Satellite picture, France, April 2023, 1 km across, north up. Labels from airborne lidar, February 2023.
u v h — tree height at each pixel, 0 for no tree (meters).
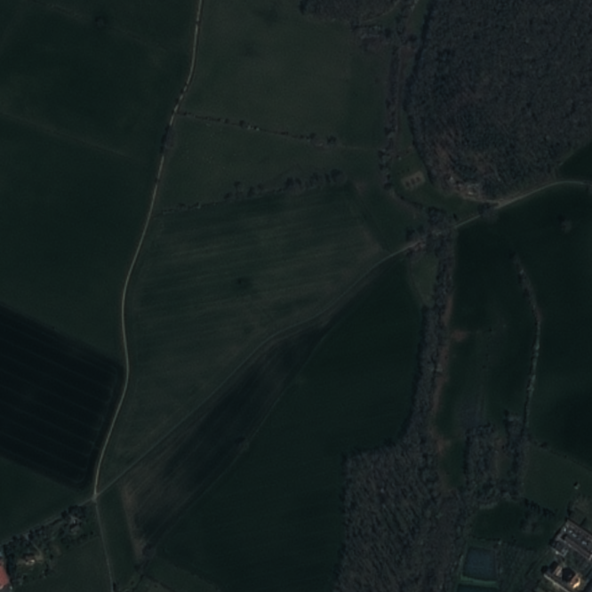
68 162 0
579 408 0
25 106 0
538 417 0
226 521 0
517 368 0
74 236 0
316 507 0
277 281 0
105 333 0
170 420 0
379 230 0
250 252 0
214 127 0
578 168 0
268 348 0
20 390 0
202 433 0
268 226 0
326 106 0
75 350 0
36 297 0
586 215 0
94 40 0
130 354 0
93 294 0
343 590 24
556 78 19
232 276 0
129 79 0
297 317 0
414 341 0
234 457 0
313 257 0
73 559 0
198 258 0
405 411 0
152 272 0
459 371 0
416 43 19
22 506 0
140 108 0
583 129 20
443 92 23
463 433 0
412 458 31
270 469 0
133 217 0
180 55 0
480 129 21
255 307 0
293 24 0
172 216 0
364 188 0
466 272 0
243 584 0
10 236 0
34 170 0
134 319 0
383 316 0
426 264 0
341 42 0
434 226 13
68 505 0
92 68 0
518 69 19
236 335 0
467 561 0
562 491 0
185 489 0
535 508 12
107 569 0
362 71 0
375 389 0
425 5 0
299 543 0
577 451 0
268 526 0
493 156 17
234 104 0
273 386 0
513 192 28
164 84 0
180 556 0
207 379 0
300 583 0
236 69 0
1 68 0
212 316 0
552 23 21
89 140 0
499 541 6
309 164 0
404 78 0
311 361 0
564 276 0
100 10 0
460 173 21
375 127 0
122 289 0
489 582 0
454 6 22
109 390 0
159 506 0
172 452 0
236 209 0
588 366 0
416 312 0
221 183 0
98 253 0
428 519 27
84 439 0
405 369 0
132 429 0
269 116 0
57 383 0
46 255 0
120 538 0
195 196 0
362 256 0
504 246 0
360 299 0
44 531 9
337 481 0
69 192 0
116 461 0
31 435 0
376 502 32
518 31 18
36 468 0
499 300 0
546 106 20
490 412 0
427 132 23
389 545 33
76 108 0
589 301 0
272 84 0
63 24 0
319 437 0
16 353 0
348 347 0
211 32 0
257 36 0
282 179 0
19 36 0
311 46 0
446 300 17
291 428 0
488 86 24
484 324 0
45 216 0
